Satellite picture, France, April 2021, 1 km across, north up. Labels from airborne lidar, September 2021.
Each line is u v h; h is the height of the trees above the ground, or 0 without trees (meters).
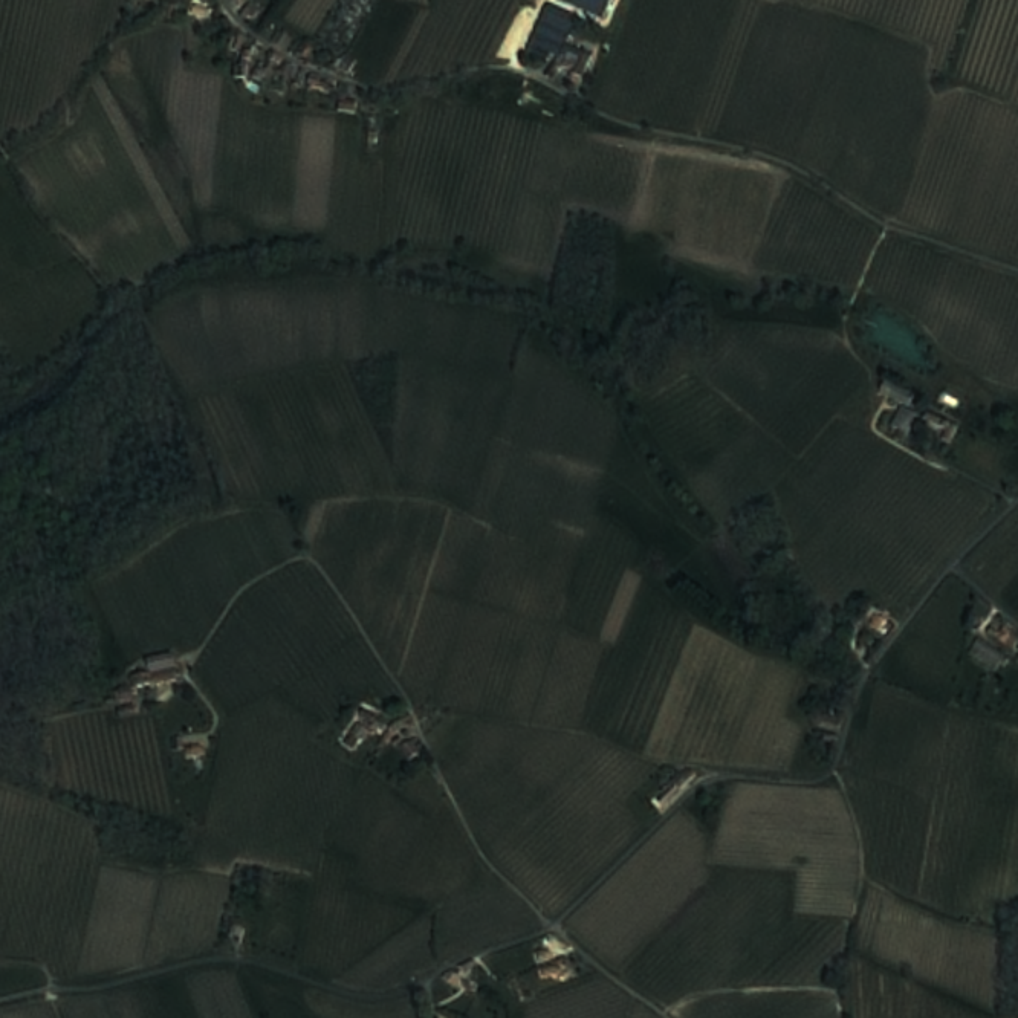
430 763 13
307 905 0
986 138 0
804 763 0
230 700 0
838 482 0
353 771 0
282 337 0
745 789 0
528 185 0
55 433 22
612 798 0
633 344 14
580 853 0
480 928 0
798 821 0
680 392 0
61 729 0
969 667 0
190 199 0
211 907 0
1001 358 0
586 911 0
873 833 0
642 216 0
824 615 17
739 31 0
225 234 0
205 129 0
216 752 0
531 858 0
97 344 19
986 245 0
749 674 0
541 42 0
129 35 16
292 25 0
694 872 0
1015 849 0
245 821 0
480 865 0
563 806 0
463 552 0
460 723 0
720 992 0
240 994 0
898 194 0
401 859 0
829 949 0
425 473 0
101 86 0
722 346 0
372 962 0
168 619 0
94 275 8
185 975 0
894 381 14
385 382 6
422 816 0
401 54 0
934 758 0
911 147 0
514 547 0
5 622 15
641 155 0
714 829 0
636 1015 0
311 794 0
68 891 0
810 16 0
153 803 0
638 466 0
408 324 0
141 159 0
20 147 15
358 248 0
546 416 0
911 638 0
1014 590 0
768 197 0
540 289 0
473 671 0
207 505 20
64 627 20
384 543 0
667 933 0
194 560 0
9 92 0
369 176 0
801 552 0
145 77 0
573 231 11
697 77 0
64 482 23
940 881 0
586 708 0
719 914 0
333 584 0
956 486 0
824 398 0
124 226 0
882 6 0
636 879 0
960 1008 0
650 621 0
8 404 17
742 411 0
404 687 0
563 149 0
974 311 0
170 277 17
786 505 0
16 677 13
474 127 0
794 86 0
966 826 0
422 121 0
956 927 0
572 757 0
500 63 0
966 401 0
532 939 0
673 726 0
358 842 0
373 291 0
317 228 0
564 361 13
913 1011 0
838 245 0
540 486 0
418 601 0
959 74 0
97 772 0
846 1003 13
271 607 0
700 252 0
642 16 0
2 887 0
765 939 0
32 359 0
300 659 0
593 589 0
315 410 0
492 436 0
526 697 0
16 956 0
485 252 0
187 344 0
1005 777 0
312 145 0
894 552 0
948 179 0
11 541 20
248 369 0
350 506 0
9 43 0
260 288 0
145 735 0
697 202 0
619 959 0
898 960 0
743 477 0
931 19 0
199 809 0
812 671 7
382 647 0
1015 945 21
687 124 0
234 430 0
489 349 0
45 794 16
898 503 0
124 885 0
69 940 0
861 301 0
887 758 0
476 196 0
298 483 0
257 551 0
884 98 0
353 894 0
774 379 0
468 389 0
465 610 0
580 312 17
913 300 0
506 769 0
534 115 0
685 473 0
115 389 22
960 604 0
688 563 0
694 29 0
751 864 0
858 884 0
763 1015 0
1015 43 0
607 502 0
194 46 0
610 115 0
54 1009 0
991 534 0
